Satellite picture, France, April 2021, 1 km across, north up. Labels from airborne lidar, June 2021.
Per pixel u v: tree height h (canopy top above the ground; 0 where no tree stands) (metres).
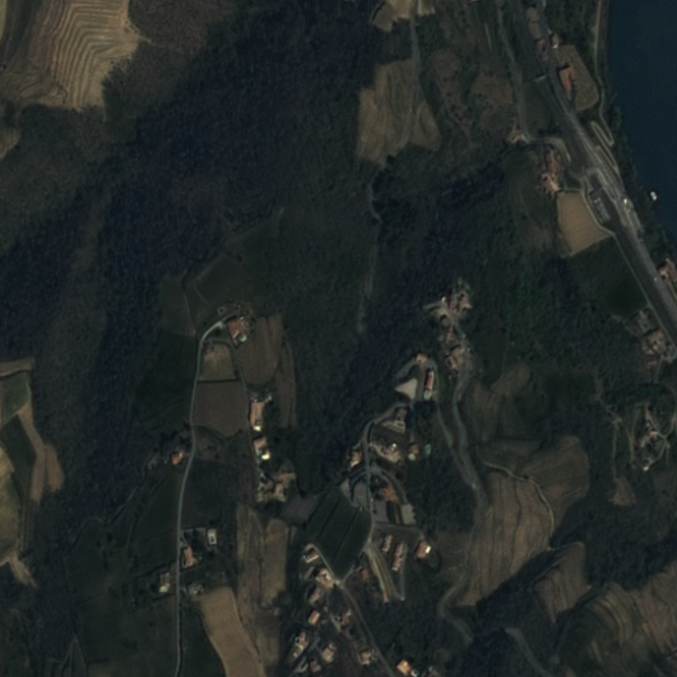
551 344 12
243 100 12
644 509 9
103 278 22
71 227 9
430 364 0
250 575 0
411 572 6
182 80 17
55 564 18
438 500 6
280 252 11
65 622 15
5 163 9
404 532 0
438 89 11
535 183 0
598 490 6
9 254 22
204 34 13
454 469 16
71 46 0
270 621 0
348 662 12
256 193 17
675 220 0
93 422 21
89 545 0
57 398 10
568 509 6
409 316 12
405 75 0
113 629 0
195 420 0
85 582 0
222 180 15
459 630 15
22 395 0
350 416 9
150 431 0
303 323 17
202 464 5
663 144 0
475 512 7
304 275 16
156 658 0
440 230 24
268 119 11
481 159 16
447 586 9
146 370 12
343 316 19
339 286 6
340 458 14
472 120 9
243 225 11
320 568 0
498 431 0
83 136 7
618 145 8
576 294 19
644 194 12
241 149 23
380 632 12
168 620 0
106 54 0
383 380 7
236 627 0
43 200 11
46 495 8
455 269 12
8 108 0
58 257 11
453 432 12
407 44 8
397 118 0
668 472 0
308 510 0
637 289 0
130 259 9
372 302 20
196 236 16
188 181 10
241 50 10
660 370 0
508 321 9
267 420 6
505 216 13
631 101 0
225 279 0
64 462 6
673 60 0
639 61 0
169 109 19
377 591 7
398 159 9
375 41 10
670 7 0
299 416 13
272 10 26
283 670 0
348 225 10
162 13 6
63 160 7
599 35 0
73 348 9
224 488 6
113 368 12
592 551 9
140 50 6
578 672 0
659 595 0
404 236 18
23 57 0
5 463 0
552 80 11
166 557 0
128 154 11
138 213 14
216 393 0
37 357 9
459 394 0
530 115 0
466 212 19
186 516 0
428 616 19
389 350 14
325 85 14
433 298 9
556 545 20
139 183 12
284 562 0
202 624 7
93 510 11
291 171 10
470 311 6
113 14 0
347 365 19
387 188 19
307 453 17
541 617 16
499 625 10
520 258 8
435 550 7
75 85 0
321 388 14
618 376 7
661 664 13
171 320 0
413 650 0
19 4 0
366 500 0
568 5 21
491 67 0
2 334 11
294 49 13
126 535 0
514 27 9
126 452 12
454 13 10
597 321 9
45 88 0
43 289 11
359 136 13
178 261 14
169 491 0
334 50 11
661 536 22
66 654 9
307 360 10
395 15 0
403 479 8
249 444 0
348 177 10
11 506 0
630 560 20
